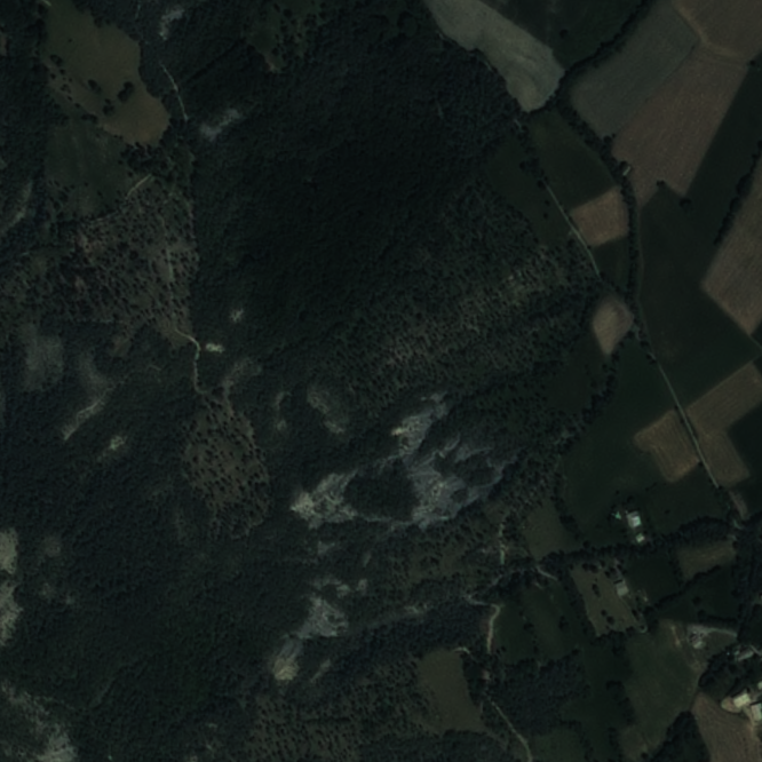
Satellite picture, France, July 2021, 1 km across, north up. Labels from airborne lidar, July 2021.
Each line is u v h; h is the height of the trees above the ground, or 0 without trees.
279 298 19
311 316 16
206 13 16
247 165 21
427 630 7
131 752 6
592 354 0
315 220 19
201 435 9
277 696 7
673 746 18
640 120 0
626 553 16
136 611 12
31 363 0
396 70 18
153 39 8
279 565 12
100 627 8
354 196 24
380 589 11
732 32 0
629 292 7
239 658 15
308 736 13
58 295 14
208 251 11
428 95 21
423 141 23
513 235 20
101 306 11
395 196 23
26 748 6
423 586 9
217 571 6
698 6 0
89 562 13
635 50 0
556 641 0
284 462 7
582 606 16
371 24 19
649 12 6
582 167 0
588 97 0
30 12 21
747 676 6
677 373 0
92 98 0
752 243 0
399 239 17
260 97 7
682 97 0
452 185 20
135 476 8
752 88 0
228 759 6
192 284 11
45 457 11
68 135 0
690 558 0
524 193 0
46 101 15
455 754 12
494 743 8
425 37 17
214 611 11
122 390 6
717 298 0
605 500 0
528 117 14
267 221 17
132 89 13
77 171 0
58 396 9
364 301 13
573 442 18
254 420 7
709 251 0
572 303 16
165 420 10
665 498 0
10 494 11
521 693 13
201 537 7
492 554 6
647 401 0
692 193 0
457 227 8
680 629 0
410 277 17
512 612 0
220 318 8
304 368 6
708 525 20
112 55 0
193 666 10
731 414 0
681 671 0
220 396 9
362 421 7
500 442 10
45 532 10
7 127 16
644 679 0
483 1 0
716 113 0
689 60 0
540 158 8
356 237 19
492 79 22
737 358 0
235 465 0
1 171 12
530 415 16
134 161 16
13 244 8
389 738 12
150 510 11
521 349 10
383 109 25
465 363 15
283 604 12
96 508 10
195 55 17
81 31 0
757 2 0
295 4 0
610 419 0
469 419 10
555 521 0
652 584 0
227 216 12
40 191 8
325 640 14
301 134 18
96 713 12
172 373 7
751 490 0
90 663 10
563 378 0
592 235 0
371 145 24
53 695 9
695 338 0
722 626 8
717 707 0
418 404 8
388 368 10
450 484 0
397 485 7
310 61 21
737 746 0
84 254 18
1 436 9
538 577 15
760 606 13
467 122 25
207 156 7
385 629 12
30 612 9
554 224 0
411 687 16
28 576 8
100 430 9
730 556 0
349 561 9
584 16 0
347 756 12
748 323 0
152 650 11
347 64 18
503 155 0
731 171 0
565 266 18
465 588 12
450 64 19
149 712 14
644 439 0
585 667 8
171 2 7
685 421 8
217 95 16
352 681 12
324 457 16
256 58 26
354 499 8
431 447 6
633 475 0
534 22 0
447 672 0
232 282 12
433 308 13
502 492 15
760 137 0
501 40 0
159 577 12
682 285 0
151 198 14
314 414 7
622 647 18
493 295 11
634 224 13
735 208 15
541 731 14
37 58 13
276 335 12
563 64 0
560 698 13
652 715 0
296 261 13
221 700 11
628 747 0
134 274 11
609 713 0
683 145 0
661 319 0
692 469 0
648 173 0
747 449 0
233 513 10
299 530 8
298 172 21
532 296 14
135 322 9
